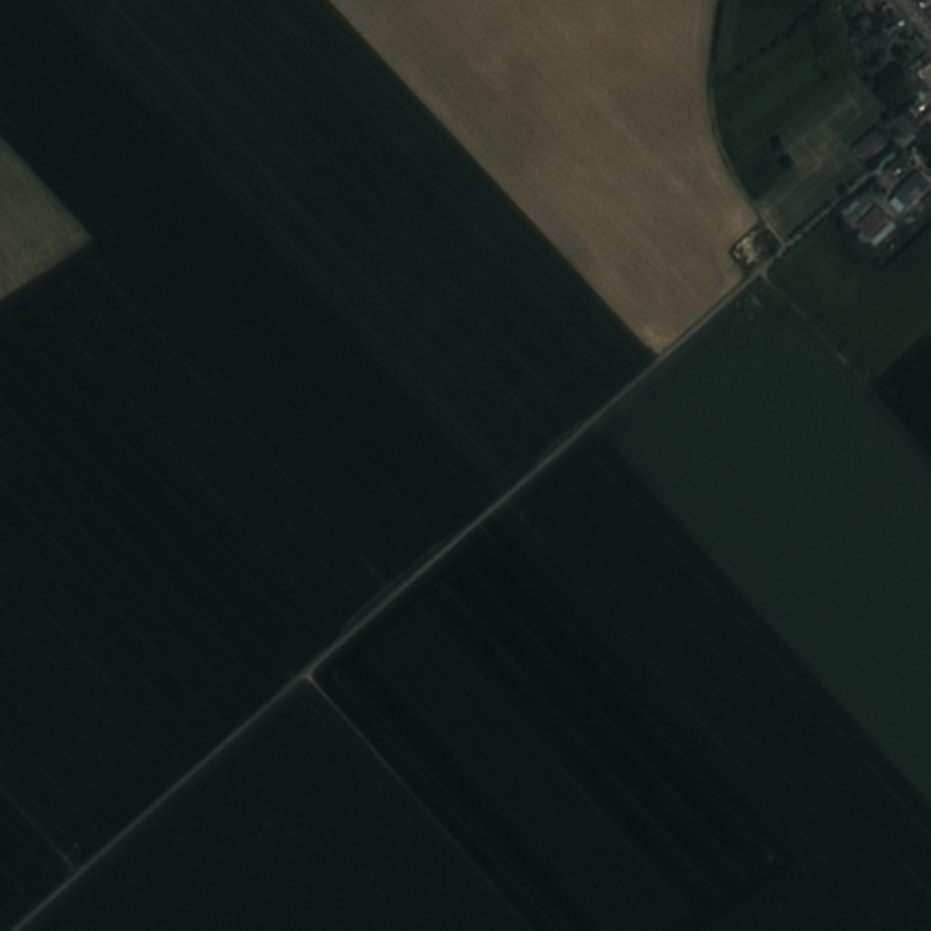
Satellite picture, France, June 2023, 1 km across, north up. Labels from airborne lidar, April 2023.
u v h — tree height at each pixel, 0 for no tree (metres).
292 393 0
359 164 0
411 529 0
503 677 0
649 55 0
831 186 0
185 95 0
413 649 0
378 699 0
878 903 0
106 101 0
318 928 0
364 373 0
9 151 0
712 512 0
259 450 0
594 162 0
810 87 0
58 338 0
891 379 0
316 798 0
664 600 0
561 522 0
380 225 0
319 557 0
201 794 0
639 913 0
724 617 0
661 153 0
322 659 0
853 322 0
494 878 0
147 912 0
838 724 0
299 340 0
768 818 0
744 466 0
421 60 0
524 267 0
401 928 0
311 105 0
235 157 0
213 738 0
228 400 0
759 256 0
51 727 0
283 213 0
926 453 0
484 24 0
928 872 0
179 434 0
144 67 0
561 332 0
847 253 0
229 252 0
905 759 0
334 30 0
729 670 0
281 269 0
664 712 0
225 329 0
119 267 0
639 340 0
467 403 0
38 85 0
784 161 9
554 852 0
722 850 0
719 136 0
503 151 0
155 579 0
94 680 0
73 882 0
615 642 0
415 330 0
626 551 0
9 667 0
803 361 0
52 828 0
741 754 0
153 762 0
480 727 0
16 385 0
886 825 0
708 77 0
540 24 0
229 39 0
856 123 0
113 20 0
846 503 0
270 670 0
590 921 0
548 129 0
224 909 0
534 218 0
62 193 0
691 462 0
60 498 0
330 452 0
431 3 0
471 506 0
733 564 0
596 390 0
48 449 0
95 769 0
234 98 0
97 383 0
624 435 0
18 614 0
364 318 0
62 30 0
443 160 0
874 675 0
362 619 0
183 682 0
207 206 0
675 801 0
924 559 0
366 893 0
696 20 0
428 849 0
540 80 0
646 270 0
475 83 0
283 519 0
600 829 0
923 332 0
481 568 0
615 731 0
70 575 0
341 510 0
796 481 0
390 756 0
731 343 0
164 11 0
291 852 0
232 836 0
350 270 0
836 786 0
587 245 0
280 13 0
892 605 0
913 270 0
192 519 0
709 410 0
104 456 0
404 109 0
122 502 0
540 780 0
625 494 0
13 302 0
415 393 0
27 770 0
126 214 0
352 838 0
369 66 0
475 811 0
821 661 0
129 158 0
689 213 0
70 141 0
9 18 0
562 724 0
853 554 0
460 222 0
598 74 0
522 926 0
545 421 0
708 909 0
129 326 0
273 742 0
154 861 0
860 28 9
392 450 0
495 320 0
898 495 0
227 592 0
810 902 0
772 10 0
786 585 0
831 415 0
